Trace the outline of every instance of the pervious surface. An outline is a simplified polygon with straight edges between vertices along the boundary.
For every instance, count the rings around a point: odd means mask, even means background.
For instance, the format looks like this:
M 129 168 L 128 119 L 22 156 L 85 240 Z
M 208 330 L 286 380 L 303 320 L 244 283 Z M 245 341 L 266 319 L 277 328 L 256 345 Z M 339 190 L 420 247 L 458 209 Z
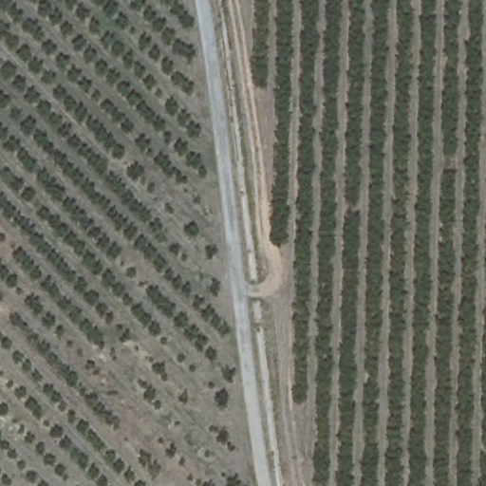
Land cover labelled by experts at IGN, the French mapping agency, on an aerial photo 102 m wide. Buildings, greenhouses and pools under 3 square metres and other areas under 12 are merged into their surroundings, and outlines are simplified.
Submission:
M 196 0 L 196 23 L 201 34 L 201 53 L 207 78 L 209 108 L 213 118 L 218 169 L 224 234 L 228 245 L 228 279 L 234 302 L 235 338 L 239 349 L 243 393 L 251 431 L 254 473 L 260 486 L 309 486 L 313 482 L 315 471 L 313 452 L 317 442 L 317 421 L 309 416 L 308 410 L 300 402 L 294 402 L 292 397 L 292 302 L 296 298 L 296 279 L 294 266 L 290 266 L 289 270 L 285 268 L 279 249 L 271 243 L 270 237 L 271 186 L 275 180 L 273 146 L 277 114 L 275 95 L 271 95 L 264 87 L 256 87 L 252 82 L 252 30 L 256 27 L 254 0 Z

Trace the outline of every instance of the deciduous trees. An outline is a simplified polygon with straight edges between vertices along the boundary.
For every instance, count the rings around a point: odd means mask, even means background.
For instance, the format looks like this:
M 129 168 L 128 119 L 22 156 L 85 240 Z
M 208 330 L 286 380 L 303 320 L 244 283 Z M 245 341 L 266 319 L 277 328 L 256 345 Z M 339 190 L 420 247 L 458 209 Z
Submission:
M 156 395 L 154 385 L 140 380 L 140 387 L 144 389 L 144 399 L 159 408 L 161 401 Z
M 150 452 L 140 450 L 139 461 L 129 467 L 121 459 L 116 458 L 114 450 L 108 450 L 104 456 L 106 463 L 116 473 L 125 477 L 125 482 L 121 486 L 159 486 L 159 463 L 150 458 Z
M 89 461 L 87 454 L 66 437 L 63 427 L 55 425 L 51 429 L 51 437 L 59 439 L 61 448 L 82 467 L 85 475 L 91 477 L 91 482 L 87 486 L 110 486 L 103 473 L 99 473 L 99 467 L 93 461 Z
M 95 450 L 101 450 L 104 446 L 103 440 L 89 427 L 87 421 L 82 420 L 78 423 L 78 431 L 85 440 L 91 442 Z
M 211 425 L 211 431 L 218 435 L 218 442 L 222 442 L 230 452 L 234 452 L 235 444 L 228 437 L 228 431 L 220 425 Z
M 152 304 L 156 304 L 156 308 L 163 315 L 167 315 L 175 323 L 175 327 L 184 332 L 184 336 L 196 346 L 199 353 L 203 353 L 209 361 L 216 359 L 216 349 L 209 346 L 207 336 L 201 334 L 196 325 L 188 321 L 186 313 L 178 313 L 175 304 L 161 294 L 156 285 L 152 285 L 146 292 Z
M 84 330 L 85 336 L 93 342 L 93 361 L 85 363 L 85 370 L 89 368 L 91 374 L 99 376 L 101 368 L 95 361 L 106 361 L 110 357 L 112 361 L 118 361 L 116 344 L 129 340 L 129 328 L 116 323 L 112 313 L 114 309 L 120 308 L 121 304 L 129 306 L 133 315 L 148 328 L 150 334 L 159 332 L 159 323 L 131 298 L 125 285 L 116 279 L 112 271 L 116 268 L 116 256 L 120 254 L 121 247 L 103 232 L 104 226 L 110 220 L 118 232 L 123 232 L 127 239 L 135 243 L 135 249 L 144 254 L 148 262 L 154 264 L 159 273 L 165 275 L 165 281 L 173 285 L 173 289 L 180 290 L 184 296 L 190 292 L 190 281 L 182 281 L 165 260 L 171 252 L 177 254 L 178 243 L 167 237 L 161 220 L 152 216 L 150 209 L 144 207 L 144 203 L 135 199 L 133 192 L 121 182 L 121 178 L 106 167 L 106 161 L 125 156 L 133 163 L 127 169 L 131 178 L 139 178 L 142 173 L 154 171 L 159 167 L 167 177 L 177 178 L 177 182 L 186 182 L 186 175 L 171 163 L 169 156 L 165 154 L 169 148 L 175 148 L 180 156 L 186 158 L 188 165 L 196 167 L 199 177 L 215 173 L 218 169 L 213 118 L 209 108 L 207 78 L 201 53 L 201 34 L 196 23 L 196 0 L 0 0 L 0 300 L 13 287 L 19 298 L 27 302 L 36 319 L 42 321 L 44 327 L 55 330 L 57 336 L 65 332 L 66 327 L 70 327 L 70 323 L 78 325 L 80 330 Z
M 34 334 L 19 313 L 11 313 L 11 325 L 23 332 L 28 344 L 57 370 L 61 378 L 65 378 L 70 387 L 74 387 L 82 395 L 85 404 L 104 423 L 112 425 L 114 429 L 120 427 L 120 418 L 104 408 L 97 393 L 87 393 L 84 383 L 78 380 L 78 374 L 59 359 L 57 353 L 51 351 L 49 342 Z
M 222 319 L 216 313 L 216 309 L 207 300 L 196 296 L 194 309 L 197 313 L 201 313 L 201 317 L 207 323 L 211 323 L 222 336 L 228 334 L 232 327 L 226 323 L 226 319 Z
M 294 266 L 296 279 L 296 298 L 292 302 L 292 397 L 294 402 L 300 402 L 308 410 L 309 416 L 317 421 L 317 442 L 313 452 L 315 471 L 313 482 L 309 486 L 486 486 L 486 0 L 254 0 L 256 27 L 252 30 L 252 82 L 256 87 L 264 87 L 271 95 L 275 95 L 277 114 L 273 146 L 275 180 L 271 186 L 270 237 L 271 243 L 279 249 L 285 268 L 289 270 L 290 266 Z

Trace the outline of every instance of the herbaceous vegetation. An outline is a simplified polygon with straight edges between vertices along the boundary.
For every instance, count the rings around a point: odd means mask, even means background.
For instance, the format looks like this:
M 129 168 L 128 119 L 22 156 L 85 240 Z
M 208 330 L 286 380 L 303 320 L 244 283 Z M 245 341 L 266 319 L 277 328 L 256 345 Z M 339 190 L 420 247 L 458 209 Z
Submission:
M 159 332 L 150 334 L 148 328 L 133 315 L 129 306 L 121 304 L 120 308 L 114 309 L 112 313 L 116 323 L 129 328 L 129 340 L 116 344 L 118 361 L 112 361 L 110 357 L 106 361 L 95 361 L 101 368 L 99 376 L 91 374 L 89 368 L 85 370 L 85 363 L 93 361 L 93 342 L 85 336 L 84 330 L 80 330 L 78 325 L 70 323 L 70 327 L 66 327 L 65 332 L 57 336 L 55 330 L 44 327 L 42 321 L 36 319 L 27 302 L 19 298 L 13 287 L 0 300 L 0 486 L 87 486 L 91 482 L 91 477 L 85 475 L 82 467 L 61 448 L 59 439 L 51 437 L 51 429 L 55 425 L 63 427 L 66 437 L 87 454 L 89 461 L 93 461 L 99 467 L 99 473 L 103 473 L 110 486 L 121 486 L 125 482 L 125 477 L 116 473 L 106 463 L 104 456 L 108 450 L 114 450 L 116 458 L 121 459 L 129 467 L 139 461 L 140 450 L 150 452 L 150 458 L 159 463 L 159 486 L 260 486 L 254 473 L 251 431 L 243 393 L 239 349 L 235 338 L 234 302 L 228 279 L 228 245 L 224 234 L 218 169 L 215 173 L 199 177 L 196 167 L 188 165 L 186 158 L 180 156 L 175 148 L 169 148 L 165 154 L 169 156 L 171 163 L 186 175 L 186 182 L 177 182 L 177 178 L 167 177 L 159 167 L 154 171 L 142 173 L 139 178 L 131 178 L 127 169 L 133 163 L 125 156 L 106 161 L 106 167 L 121 178 L 121 182 L 133 192 L 135 199 L 144 203 L 144 207 L 150 209 L 152 216 L 161 220 L 167 237 L 178 243 L 177 254 L 171 252 L 165 260 L 182 281 L 190 281 L 190 292 L 184 296 L 180 290 L 173 289 L 173 285 L 165 281 L 165 275 L 159 273 L 154 264 L 148 262 L 144 254 L 135 249 L 135 243 L 127 239 L 123 232 L 118 232 L 110 220 L 104 226 L 103 232 L 121 247 L 120 254 L 116 256 L 116 268 L 112 271 L 116 279 L 125 285 L 131 298 L 159 323 Z M 146 292 L 152 285 L 156 285 L 161 294 L 175 304 L 178 313 L 186 313 L 188 321 L 196 325 L 201 334 L 207 336 L 209 346 L 216 349 L 216 359 L 209 361 L 203 353 L 199 353 L 196 346 L 184 336 L 184 332 L 175 327 L 175 323 L 167 315 L 163 315 L 156 308 L 156 304 L 152 304 Z M 222 336 L 211 323 L 207 323 L 201 317 L 201 313 L 197 313 L 194 309 L 196 296 L 207 300 L 216 309 L 216 313 L 222 319 L 226 319 L 226 323 L 232 327 L 228 334 Z M 11 325 L 11 313 L 19 313 L 34 334 L 49 342 L 51 351 L 57 353 L 59 359 L 78 374 L 78 380 L 84 383 L 87 393 L 97 393 L 104 408 L 120 418 L 120 427 L 114 429 L 112 425 L 104 423 L 85 404 L 82 395 L 74 387 L 70 387 L 65 378 L 61 378 L 57 370 L 28 344 L 23 332 Z M 156 395 L 161 401 L 159 408 L 144 399 L 144 389 L 140 387 L 140 380 L 154 385 Z M 89 427 L 103 440 L 104 446 L 101 450 L 95 450 L 91 442 L 85 440 L 78 431 L 78 423 L 82 420 L 87 421 Z M 234 452 L 230 452 L 222 442 L 218 442 L 218 435 L 211 431 L 211 425 L 220 425 L 228 431 L 228 437 L 235 444 Z

